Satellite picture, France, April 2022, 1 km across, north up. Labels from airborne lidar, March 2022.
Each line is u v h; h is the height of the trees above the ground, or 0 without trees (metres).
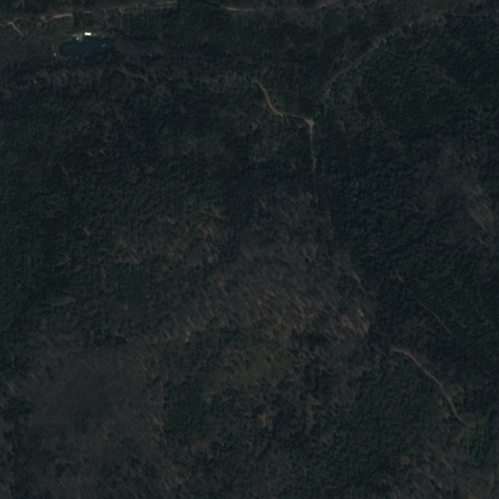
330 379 29
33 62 13
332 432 16
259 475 13
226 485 17
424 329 21
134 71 28
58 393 17
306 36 16
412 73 13
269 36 14
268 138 17
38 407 15
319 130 17
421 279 13
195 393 17
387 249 33
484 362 12
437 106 13
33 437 13
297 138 16
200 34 14
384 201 19
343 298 29
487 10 19
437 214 20
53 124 7
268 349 30
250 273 23
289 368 8
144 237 14
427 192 30
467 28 11
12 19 18
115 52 15
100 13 19
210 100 12
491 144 11
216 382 11
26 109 13
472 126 10
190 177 14
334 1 19
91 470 19
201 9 21
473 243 26
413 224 11
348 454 14
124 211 14
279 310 32
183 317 29
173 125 16
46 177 9
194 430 15
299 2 15
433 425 13
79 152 17
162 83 22
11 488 28
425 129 14
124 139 11
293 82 15
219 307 33
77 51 0
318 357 10
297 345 27
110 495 22
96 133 17
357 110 15
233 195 23
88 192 11
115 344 28
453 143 27
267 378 13
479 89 12
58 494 21
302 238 9
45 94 11
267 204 30
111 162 9
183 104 10
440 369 16
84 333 13
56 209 14
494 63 14
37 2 18
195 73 12
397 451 11
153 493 27
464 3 16
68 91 10
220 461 12
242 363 10
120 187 9
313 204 16
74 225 13
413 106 11
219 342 12
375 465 14
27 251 15
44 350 30
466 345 11
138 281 17
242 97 12
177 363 12
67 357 27
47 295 14
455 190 30
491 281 25
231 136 16
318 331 23
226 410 14
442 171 29
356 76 11
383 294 24
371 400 11
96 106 16
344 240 28
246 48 15
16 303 17
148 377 17
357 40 16
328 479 11
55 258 10
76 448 18
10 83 25
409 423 13
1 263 16
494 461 28
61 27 13
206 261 24
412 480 11
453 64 14
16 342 13
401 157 12
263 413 17
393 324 17
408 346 12
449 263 29
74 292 9
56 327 12
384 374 11
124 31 10
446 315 13
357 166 13
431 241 32
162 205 12
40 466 15
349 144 14
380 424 14
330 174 18
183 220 9
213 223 26
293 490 14
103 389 14
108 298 8
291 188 24
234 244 27
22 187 11
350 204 34
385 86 11
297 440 17
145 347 19
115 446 18
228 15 13
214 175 11
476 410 18
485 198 7
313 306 31
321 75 12
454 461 29
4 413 7
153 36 10
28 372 17
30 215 8
